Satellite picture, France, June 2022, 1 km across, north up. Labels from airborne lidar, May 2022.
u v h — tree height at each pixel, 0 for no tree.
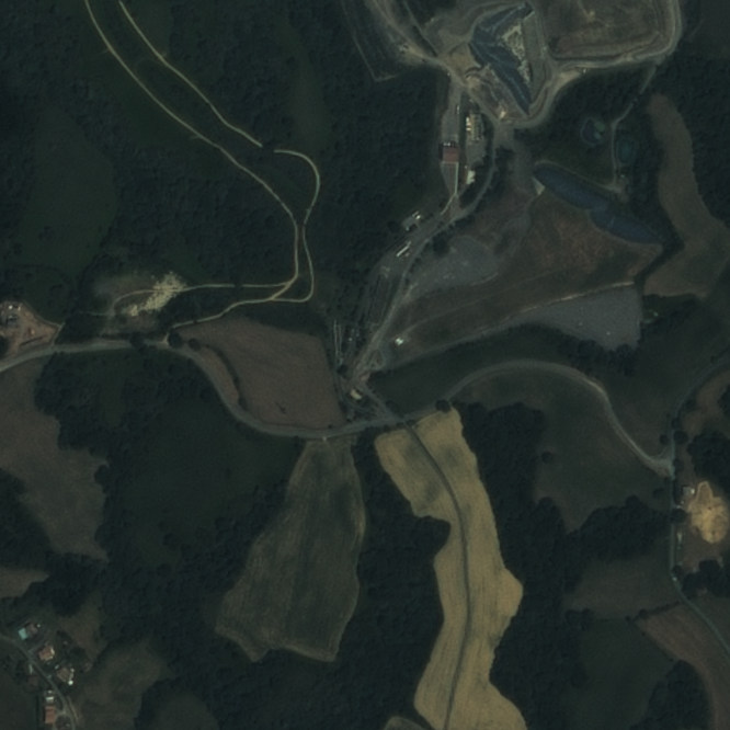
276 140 8
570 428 0
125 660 0
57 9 6
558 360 0
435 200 0
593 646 0
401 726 0
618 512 10
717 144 22
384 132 10
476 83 0
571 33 0
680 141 0
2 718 0
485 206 6
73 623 0
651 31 0
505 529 10
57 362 13
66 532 0
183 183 13
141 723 18
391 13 0
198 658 15
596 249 0
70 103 12
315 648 0
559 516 16
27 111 19
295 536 0
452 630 0
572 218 0
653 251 0
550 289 0
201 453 0
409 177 13
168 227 13
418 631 22
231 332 0
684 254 0
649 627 0
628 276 0
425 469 0
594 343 15
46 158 0
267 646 0
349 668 14
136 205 19
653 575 0
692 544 0
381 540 11
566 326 0
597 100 13
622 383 0
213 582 17
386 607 10
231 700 12
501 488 19
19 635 0
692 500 0
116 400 0
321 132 0
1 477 8
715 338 0
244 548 14
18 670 7
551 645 19
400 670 17
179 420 0
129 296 0
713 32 0
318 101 0
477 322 0
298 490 0
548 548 13
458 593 0
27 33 14
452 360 0
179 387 15
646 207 6
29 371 0
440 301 0
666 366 0
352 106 23
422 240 0
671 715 22
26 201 8
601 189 0
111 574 9
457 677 0
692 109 7
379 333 0
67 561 19
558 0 0
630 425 0
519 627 19
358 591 0
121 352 0
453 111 0
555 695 18
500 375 0
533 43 0
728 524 0
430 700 0
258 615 0
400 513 19
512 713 0
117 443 7
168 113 0
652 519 18
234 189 12
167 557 0
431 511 0
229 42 6
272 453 0
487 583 0
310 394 0
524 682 21
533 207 0
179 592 17
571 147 0
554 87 0
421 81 10
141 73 0
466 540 0
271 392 0
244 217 12
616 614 0
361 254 9
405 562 18
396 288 0
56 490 0
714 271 0
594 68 0
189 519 0
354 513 0
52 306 7
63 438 13
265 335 0
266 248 7
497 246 0
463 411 11
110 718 0
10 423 0
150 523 0
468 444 6
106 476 20
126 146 13
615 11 0
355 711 11
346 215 20
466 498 0
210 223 12
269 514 5
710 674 0
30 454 0
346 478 0
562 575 15
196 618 14
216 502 0
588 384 0
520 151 0
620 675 0
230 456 0
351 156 15
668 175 0
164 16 0
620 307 0
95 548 0
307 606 0
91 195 0
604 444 0
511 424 21
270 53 20
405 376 0
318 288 0
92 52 0
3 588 0
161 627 13
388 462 0
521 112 0
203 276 0
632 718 0
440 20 0
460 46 0
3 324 15
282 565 0
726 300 0
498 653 11
